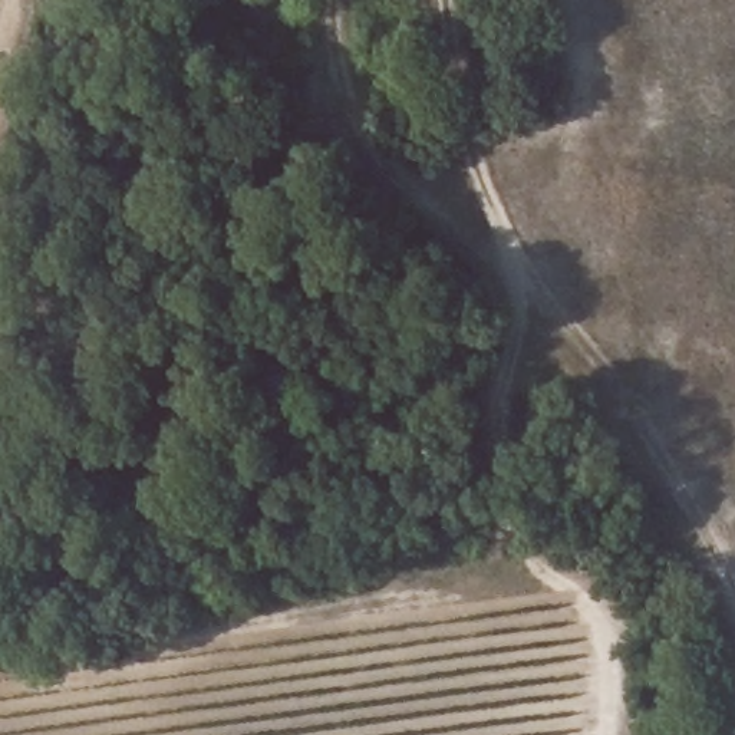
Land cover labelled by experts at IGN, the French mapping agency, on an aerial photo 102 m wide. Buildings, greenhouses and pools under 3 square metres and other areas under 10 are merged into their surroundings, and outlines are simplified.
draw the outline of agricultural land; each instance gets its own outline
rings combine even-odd
[[[34,0],[0,0],[0,49],[17,49],[17,34],[23,23],[34,23]]]

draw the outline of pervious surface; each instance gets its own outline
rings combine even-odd
[[[482,201],[488,224],[505,230],[505,207],[491,181],[488,164],[482,161],[468,172],[471,187]]]

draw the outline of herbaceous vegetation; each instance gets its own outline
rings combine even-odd
[[[336,40],[336,32],[316,20],[284,23],[278,11],[270,11],[267,6],[250,6],[241,0],[181,0],[181,9],[189,20],[192,43],[198,46],[198,55],[207,60],[207,66],[221,72],[233,69],[247,80],[256,98],[276,98],[281,103],[281,141],[287,141],[290,146],[350,144],[356,149],[356,178],[368,184],[370,210],[399,221],[402,244],[411,253],[416,247],[436,244],[442,250],[439,267],[494,276],[497,287],[502,290],[508,319],[502,319],[505,327],[500,333],[500,342],[494,345],[497,365],[488,368],[468,388],[477,399],[488,402],[491,411],[497,411],[500,416],[514,416],[517,411],[528,408],[528,390],[534,385],[551,382],[560,373],[580,376],[583,382],[597,385],[594,422],[614,439],[617,474],[635,485],[635,494],[640,500],[637,531],[663,557],[672,557],[675,563],[680,563],[686,574],[695,574],[706,586],[692,603],[695,617],[712,623],[724,637],[715,675],[703,683],[706,709],[718,715],[718,735],[735,735],[735,0],[548,0],[548,6],[566,26],[563,49],[568,52],[568,66],[574,78],[574,89],[566,92],[566,106],[577,118],[554,123],[525,138],[508,138],[494,149],[494,155],[485,155],[482,161],[488,164],[491,181],[505,207],[505,230],[488,224],[482,201],[471,187],[468,172],[454,175],[442,167],[436,178],[422,178],[413,161],[388,146],[373,144],[370,135],[362,129],[370,78],[356,72],[347,49]]]

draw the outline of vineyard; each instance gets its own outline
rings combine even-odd
[[[158,660],[126,663],[121,669],[100,672],[78,669],[69,672],[60,683],[43,686],[17,678],[6,678],[0,683],[0,735],[632,735],[623,701],[623,666],[617,657],[612,657],[612,646],[617,646],[623,637],[623,620],[612,614],[606,600],[594,600],[589,594],[589,580],[583,574],[557,571],[520,543],[508,546],[508,554],[491,548],[491,554],[479,563],[408,571],[382,591],[336,597],[284,609],[276,614],[261,614],[247,620],[244,626],[210,637],[204,646],[192,646],[184,652],[161,652]]]

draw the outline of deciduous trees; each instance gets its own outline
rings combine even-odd
[[[482,161],[485,155],[494,155],[494,149],[508,138],[525,138],[554,123],[577,118],[566,106],[566,92],[574,89],[574,78],[568,66],[568,52],[563,49],[566,26],[548,6],[548,0],[241,0],[250,6],[267,6],[270,11],[278,11],[284,23],[316,20],[336,32],[336,40],[347,49],[356,72],[370,78],[362,129],[370,135],[373,144],[388,146],[413,161],[422,178],[436,178],[442,167],[454,175],[468,172]]]
[[[442,250],[436,244],[416,247],[411,253],[402,244],[399,221],[370,210],[368,184],[356,178],[356,149],[350,144],[290,146],[287,141],[281,141],[281,103],[276,98],[256,98],[247,80],[233,69],[221,72],[207,66],[207,60],[198,55],[198,46],[192,43],[189,20],[181,9],[181,0],[34,0],[34,23],[23,23],[17,34],[17,49],[0,49],[0,683],[6,678],[17,678],[43,686],[60,683],[69,672],[78,669],[100,672],[121,669],[126,663],[158,660],[161,652],[184,652],[192,646],[204,646],[210,637],[244,626],[247,620],[261,614],[276,614],[284,609],[336,597],[382,591],[408,571],[479,563],[491,554],[491,548],[508,554],[508,546],[520,543],[557,571],[583,574],[589,580],[589,594],[594,600],[606,600],[612,614],[623,620],[623,637],[617,646],[612,646],[612,657],[617,657],[623,666],[623,701],[632,735],[718,735],[718,715],[706,709],[703,683],[715,675],[724,637],[712,623],[695,617],[692,603],[706,586],[695,574],[686,574],[680,563],[675,563],[672,557],[663,557],[637,531],[640,500],[635,494],[635,485],[617,474],[614,439],[594,422],[597,385],[583,382],[580,376],[560,373],[551,382],[534,385],[528,390],[528,408],[517,411],[514,416],[500,416],[497,411],[491,411],[488,402],[477,399],[468,388],[488,368],[497,365],[494,345],[500,342],[500,333],[505,327],[502,319],[508,319],[502,290],[497,287],[494,276],[439,267]]]

